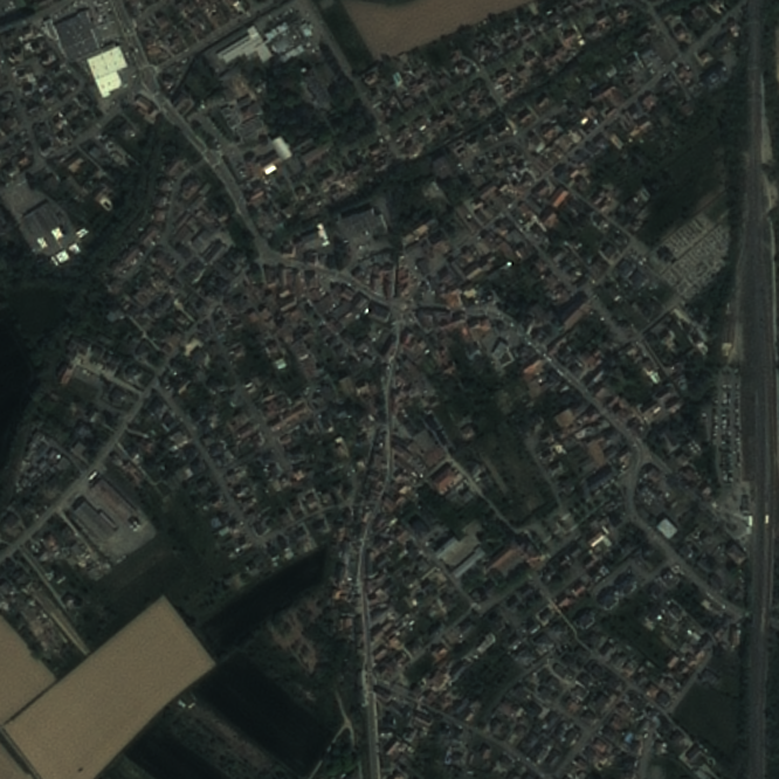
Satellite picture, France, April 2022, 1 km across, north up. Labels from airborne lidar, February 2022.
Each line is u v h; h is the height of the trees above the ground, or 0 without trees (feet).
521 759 0
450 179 28
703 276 0
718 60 0
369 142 37
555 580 37
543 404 0
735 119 21
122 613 0
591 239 0
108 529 0
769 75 27
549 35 38
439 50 0
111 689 0
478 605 0
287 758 0
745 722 23
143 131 0
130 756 0
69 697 0
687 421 61
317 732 0
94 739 0
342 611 20
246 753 0
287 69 51
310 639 22
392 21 0
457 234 55
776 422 0
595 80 0
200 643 0
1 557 0
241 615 0
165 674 0
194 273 0
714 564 66
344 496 38
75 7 0
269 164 0
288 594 0
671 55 0
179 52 0
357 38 0
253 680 0
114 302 44
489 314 0
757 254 0
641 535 30
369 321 50
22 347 0
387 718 0
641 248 0
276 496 0
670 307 0
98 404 0
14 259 72
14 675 0
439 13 0
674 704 0
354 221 0
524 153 0
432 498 24
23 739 0
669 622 0
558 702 0
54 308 0
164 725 0
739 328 0
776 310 0
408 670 0
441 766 0
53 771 0
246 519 0
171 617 0
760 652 0
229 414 0
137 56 0
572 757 0
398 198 57
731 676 0
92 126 0
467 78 37
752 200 0
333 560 0
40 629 0
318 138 61
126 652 0
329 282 0
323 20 0
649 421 0
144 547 0
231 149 0
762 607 0
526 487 0
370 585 0
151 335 20
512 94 0
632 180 0
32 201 0
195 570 0
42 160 0
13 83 0
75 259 52
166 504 0
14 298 0
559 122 17
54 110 0
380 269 0
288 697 0
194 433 0
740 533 0
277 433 0
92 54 0
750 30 0
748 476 0
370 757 0
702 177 0
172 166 0
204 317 0
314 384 18
